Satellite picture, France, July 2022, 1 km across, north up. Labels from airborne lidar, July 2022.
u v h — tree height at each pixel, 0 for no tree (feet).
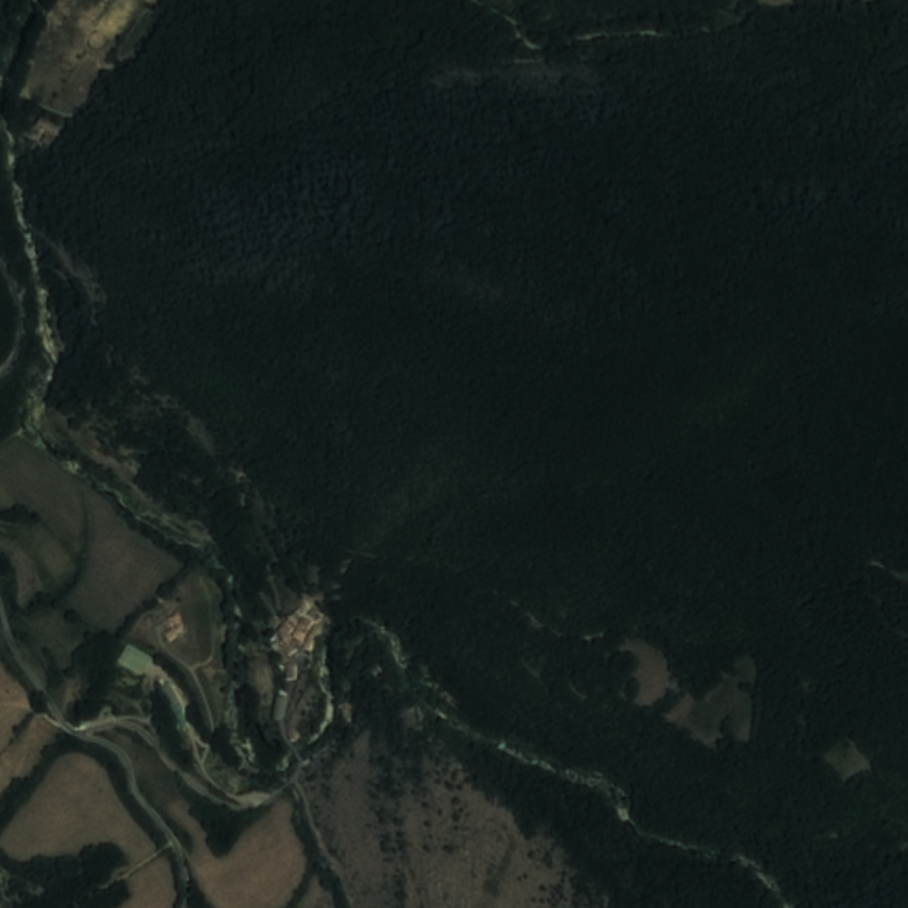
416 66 46
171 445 42
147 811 0
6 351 42
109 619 0
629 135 69
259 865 0
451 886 0
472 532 41
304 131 55
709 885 55
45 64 0
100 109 44
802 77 63
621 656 48
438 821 0
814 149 58
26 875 35
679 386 59
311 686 47
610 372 58
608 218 40
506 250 59
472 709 50
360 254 51
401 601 47
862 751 35
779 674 63
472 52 41
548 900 17
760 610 66
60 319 41
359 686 30
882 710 45
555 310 25
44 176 56
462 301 32
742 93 60
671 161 71
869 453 62
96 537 0
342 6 66
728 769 57
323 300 60
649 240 67
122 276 42
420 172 55
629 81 55
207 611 0
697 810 59
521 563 36
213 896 0
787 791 65
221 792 28
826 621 60
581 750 58
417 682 22
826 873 58
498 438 42
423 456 24
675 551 52
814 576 93
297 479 42
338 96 52
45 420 0
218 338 45
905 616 46
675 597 46
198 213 60
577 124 55
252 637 20
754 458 70
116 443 28
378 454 34
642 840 57
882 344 56
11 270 43
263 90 55
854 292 62
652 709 31
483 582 30
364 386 57
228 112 35
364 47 55
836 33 70
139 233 31
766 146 55
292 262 60
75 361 36
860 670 77
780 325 54
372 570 52
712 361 50
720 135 62
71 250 41
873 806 58
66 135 53
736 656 47
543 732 48
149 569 0
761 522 64
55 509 0
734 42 45
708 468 55
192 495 38
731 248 59
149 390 28
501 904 0
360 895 0
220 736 56
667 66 60
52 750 36
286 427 51
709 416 42
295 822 25
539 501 63
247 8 63
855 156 62
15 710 0
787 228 49
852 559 72
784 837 45
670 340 56
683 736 39
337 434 51
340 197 41
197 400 48
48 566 0
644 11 59
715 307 51
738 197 50
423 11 49
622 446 45
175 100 55
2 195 51
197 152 46
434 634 41
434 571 52
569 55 20
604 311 39
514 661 32
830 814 63
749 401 49
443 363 37
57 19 0
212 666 0
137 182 40
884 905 40
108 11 0
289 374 40
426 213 60
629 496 65
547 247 48
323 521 49
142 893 0
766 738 35
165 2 61
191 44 67
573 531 58
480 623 32
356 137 57
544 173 68
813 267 51
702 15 51
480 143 61
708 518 36
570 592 30
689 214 67
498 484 38
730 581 35
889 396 66
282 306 54
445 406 38
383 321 58
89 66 0
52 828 0
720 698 0
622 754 49
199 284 33
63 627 0
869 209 73
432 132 53
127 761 0
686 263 54
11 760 0
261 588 52
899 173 58
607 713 31
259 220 51
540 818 25
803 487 66
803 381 80
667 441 39
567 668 30
